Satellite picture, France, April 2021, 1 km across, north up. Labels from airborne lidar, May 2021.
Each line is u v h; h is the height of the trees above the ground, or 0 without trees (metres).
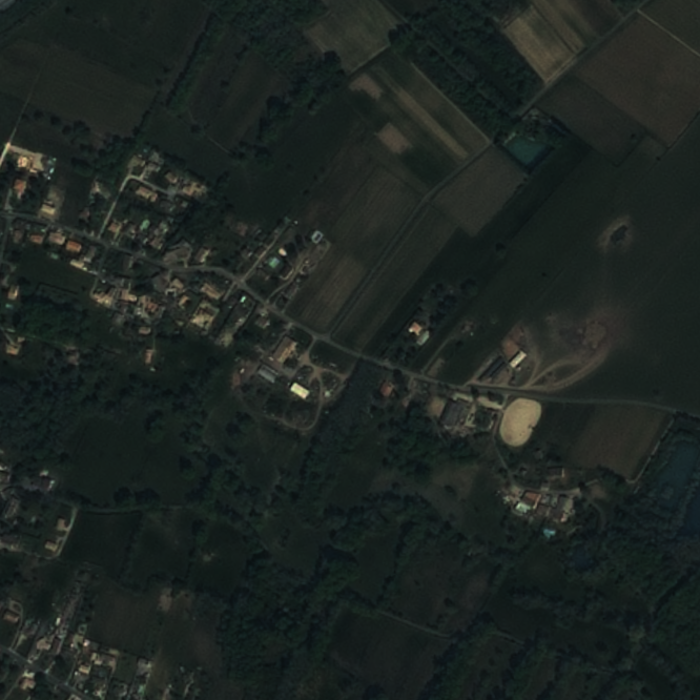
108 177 15
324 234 0
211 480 13
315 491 18
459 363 0
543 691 0
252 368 0
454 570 0
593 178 0
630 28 0
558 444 0
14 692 0
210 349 0
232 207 7
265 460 0
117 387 0
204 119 0
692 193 0
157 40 0
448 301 13
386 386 0
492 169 0
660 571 18
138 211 15
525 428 0
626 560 18
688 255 0
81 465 0
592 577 14
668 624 18
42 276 0
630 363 0
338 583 22
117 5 0
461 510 0
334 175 0
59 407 19
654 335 0
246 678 20
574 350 0
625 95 0
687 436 12
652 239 0
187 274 0
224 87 11
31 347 12
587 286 0
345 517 19
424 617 0
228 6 18
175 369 0
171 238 6
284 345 0
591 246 0
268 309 0
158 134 0
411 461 15
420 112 0
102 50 0
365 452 0
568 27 0
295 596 12
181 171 16
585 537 9
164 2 0
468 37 18
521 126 14
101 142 11
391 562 0
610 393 0
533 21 0
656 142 0
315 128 0
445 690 25
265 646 22
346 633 0
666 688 0
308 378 0
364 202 0
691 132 0
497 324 0
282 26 17
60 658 9
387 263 0
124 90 0
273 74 0
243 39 9
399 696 9
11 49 0
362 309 0
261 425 0
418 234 0
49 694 18
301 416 0
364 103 0
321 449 21
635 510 21
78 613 9
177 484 0
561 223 0
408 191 0
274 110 19
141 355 12
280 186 0
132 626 0
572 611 13
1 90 0
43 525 7
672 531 12
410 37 17
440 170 0
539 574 0
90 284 0
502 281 0
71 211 0
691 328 0
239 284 0
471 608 0
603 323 0
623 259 0
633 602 0
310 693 0
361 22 0
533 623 0
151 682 0
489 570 0
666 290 0
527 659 18
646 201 0
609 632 0
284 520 0
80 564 0
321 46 0
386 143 0
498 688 0
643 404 0
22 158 0
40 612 0
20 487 11
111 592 0
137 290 8
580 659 25
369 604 16
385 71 0
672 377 0
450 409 0
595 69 0
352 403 19
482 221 0
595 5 0
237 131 0
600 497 0
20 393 20
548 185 0
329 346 0
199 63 15
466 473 0
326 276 0
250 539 16
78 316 20
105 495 0
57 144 0
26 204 15
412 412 15
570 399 0
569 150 0
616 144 0
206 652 0
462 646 18
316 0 18
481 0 21
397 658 0
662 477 0
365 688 0
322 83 13
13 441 23
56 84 0
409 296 0
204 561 0
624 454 0
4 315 0
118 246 0
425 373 0
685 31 0
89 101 0
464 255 0
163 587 15
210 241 0
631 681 19
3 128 0
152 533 0
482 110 8
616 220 0
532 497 0
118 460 0
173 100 15
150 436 16
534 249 0
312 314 0
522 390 0
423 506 15
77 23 0
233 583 0
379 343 0
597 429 0
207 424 14
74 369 16
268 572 22
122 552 0
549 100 0
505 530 13
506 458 7
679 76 0
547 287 0
